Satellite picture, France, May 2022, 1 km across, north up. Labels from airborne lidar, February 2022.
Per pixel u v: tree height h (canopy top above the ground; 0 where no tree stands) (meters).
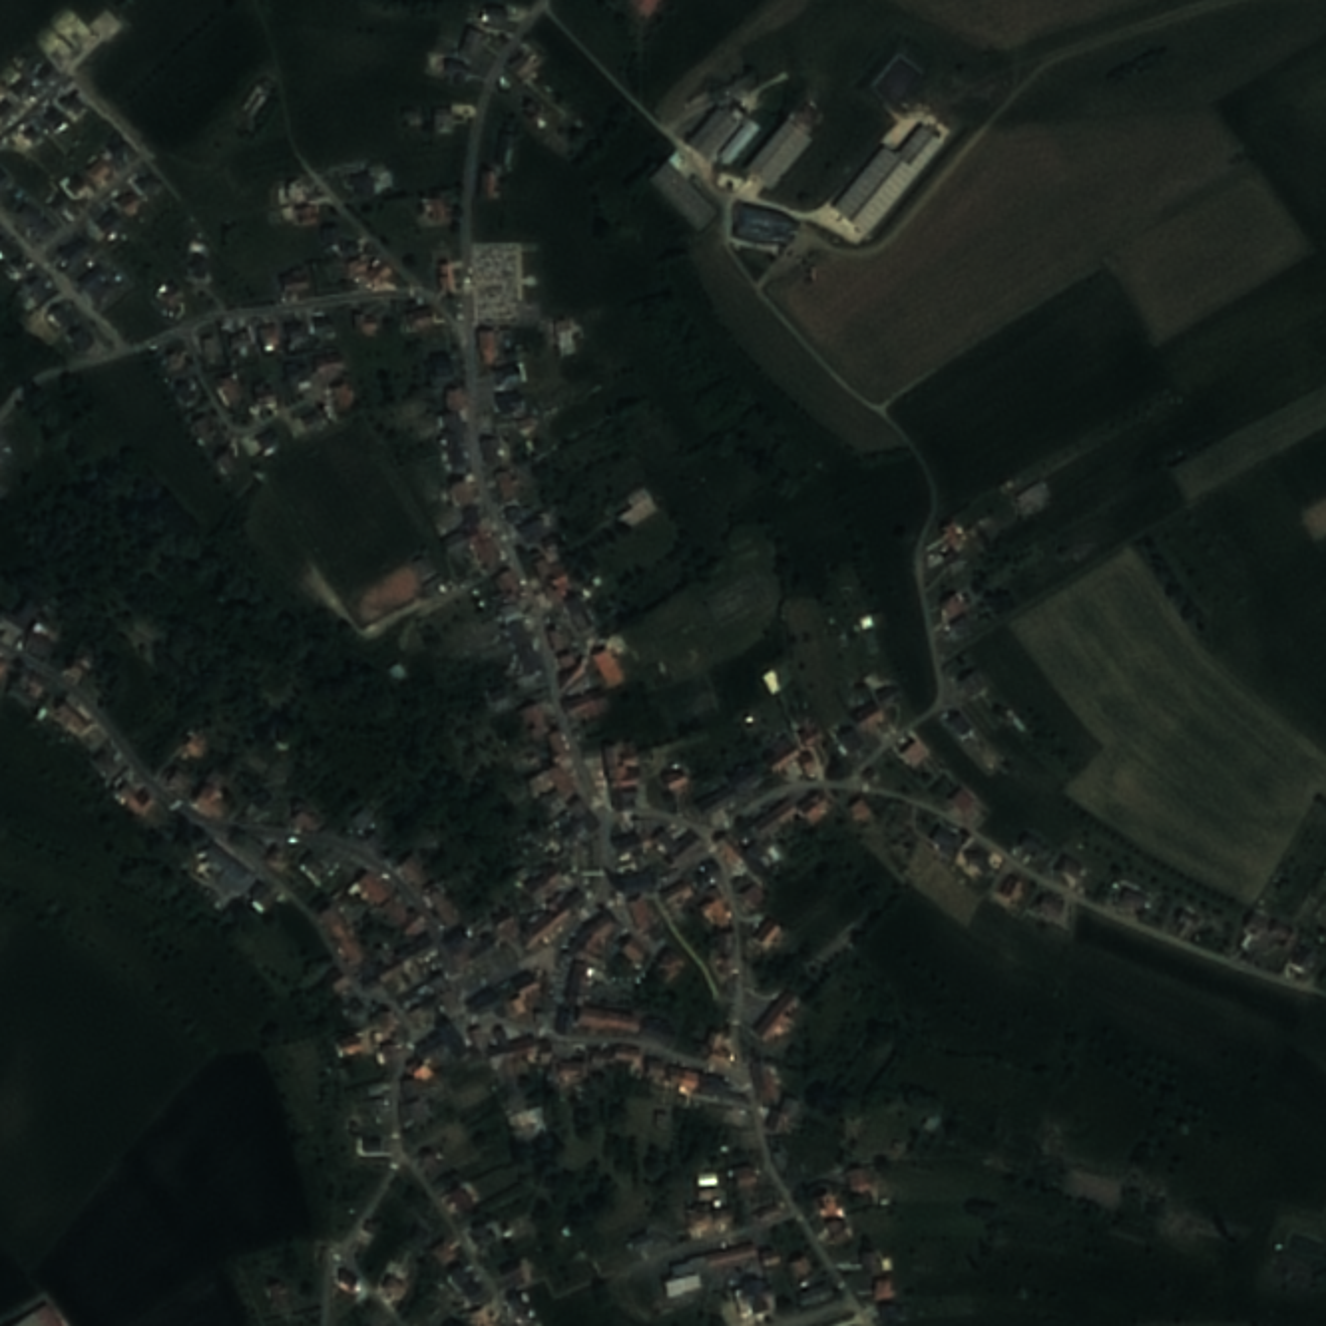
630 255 0
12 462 0
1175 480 0
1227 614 0
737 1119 0
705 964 0
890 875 0
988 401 0
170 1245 0
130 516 20
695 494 0
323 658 11
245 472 0
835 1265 0
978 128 0
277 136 0
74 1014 0
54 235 0
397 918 0
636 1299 0
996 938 0
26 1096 0
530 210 0
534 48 0
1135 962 0
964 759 0
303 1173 0
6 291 0
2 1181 0
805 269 0
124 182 0
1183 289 0
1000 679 0
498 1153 0
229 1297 0
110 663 13
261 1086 0
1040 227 0
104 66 0
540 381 0
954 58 0
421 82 0
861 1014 0
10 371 0
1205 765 0
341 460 0
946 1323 0
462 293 0
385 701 19
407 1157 0
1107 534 0
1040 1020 0
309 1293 10
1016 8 0
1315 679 0
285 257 0
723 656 0
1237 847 0
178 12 0
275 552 0
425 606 0
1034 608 0
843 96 0
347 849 0
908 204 0
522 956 0
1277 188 0
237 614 9
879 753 0
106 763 0
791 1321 0
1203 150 0
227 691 7
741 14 0
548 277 0
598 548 10
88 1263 0
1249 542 0
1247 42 0
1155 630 0
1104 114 0
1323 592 0
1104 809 0
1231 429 0
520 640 0
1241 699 0
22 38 0
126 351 0
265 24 0
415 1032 0
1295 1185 0
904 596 0
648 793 0
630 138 0
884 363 0
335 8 0
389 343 0
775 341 0
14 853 0
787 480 11
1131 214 0
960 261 0
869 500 0
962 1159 0
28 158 0
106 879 0
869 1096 6
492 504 0
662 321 6
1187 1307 0
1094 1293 0
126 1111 0
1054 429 0
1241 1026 0
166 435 0
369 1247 0
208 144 0
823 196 0
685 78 0
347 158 0
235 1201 0
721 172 0
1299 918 0
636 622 11
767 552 0
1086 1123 0
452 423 0
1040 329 0
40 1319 0
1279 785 0
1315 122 0
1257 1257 0
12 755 0
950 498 0
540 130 0
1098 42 0
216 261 0
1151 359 0
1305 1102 0
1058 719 0
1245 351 0
